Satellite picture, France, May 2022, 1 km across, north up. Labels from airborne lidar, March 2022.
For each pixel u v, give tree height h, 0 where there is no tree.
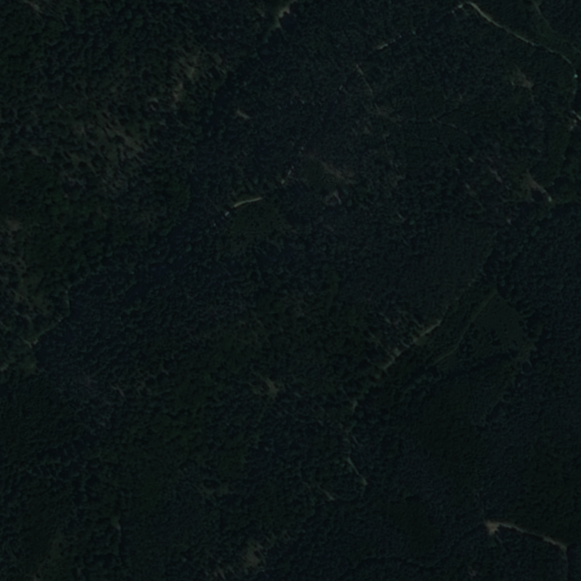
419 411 19
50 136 35
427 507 23
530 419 24
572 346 21
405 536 23
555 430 26
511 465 25
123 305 23
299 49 11
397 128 9
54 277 19
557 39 22
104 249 32
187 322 18
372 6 30
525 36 15
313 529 24
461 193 38
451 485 19
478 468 18
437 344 8
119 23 36
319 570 25
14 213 11
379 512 15
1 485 29
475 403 15
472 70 11
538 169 14
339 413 26
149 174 35
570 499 25
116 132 0
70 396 22
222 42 42
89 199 21
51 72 12
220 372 32
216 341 17
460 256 26
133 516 24
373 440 36
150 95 30
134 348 27
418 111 11
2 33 25
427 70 11
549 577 28
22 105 24
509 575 26
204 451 29
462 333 8
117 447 34
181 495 29
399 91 10
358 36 32
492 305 0
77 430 7
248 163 39
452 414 16
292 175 32
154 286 23
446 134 12
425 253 28
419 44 10
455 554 20
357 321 31
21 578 6
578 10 17
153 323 30
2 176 21
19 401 6
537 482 24
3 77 31
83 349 20
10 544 28
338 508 26
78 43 35
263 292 22
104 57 30
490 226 34
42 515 8
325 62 31
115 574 15
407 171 11
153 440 35
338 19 13
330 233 31
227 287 25
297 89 37
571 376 27
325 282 24
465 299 11
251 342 16
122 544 24
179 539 28
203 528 21
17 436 11
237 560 24
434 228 23
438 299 29
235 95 40
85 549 16
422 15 37
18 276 12
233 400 31
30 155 21
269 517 27
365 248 25
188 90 29
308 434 27
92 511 25
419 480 23
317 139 29
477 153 7
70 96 24
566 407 27
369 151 27
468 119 9
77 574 28
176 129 39
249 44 34
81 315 32
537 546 20
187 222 38
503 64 12
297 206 30
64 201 28
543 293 27
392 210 29
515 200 12
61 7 27
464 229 29
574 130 0
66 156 21
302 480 8
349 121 27
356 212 25
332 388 18
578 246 21
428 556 28
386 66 30
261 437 26
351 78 29
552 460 24
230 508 30
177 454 23
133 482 23
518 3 12
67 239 24
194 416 34
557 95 11
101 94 21
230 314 11
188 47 25
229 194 31
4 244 15
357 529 23
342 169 27
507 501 24
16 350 27
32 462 6
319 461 32
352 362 36
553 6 22
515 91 39
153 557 30
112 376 21
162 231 28
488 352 0
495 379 18
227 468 30
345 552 21
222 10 40
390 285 30
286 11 0
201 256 23
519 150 11
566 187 28
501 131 11
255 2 8
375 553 23
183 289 29
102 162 15
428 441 17
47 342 22
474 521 25
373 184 26
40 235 17
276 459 23
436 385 16
